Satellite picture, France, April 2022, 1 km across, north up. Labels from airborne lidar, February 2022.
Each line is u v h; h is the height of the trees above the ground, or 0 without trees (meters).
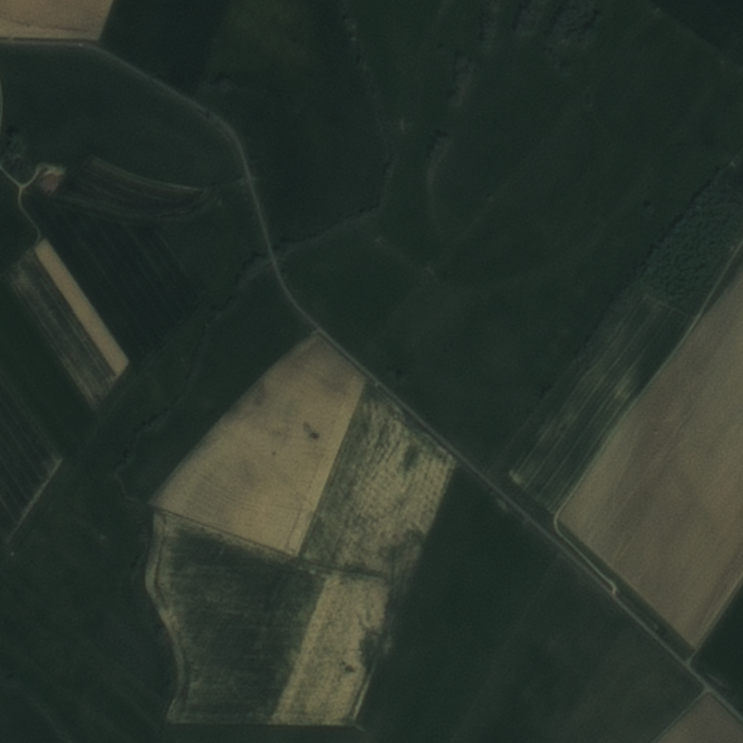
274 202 0
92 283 0
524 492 0
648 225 0
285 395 0
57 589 0
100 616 0
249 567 0
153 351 0
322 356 0
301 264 0
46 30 0
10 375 0
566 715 0
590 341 13
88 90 0
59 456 0
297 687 0
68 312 0
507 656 0
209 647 0
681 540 0
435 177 0
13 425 0
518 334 0
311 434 21
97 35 0
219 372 0
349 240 0
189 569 0
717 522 0
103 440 0
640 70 0
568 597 0
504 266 0
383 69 0
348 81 0
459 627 0
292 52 0
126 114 0
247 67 0
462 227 0
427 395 0
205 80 11
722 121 0
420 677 0
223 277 0
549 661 0
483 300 0
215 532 0
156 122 0
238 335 0
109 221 0
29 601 0
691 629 0
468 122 0
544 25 0
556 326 0
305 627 0
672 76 0
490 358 0
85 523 0
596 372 0
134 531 0
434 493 0
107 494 0
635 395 0
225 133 0
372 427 0
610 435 0
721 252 15
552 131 0
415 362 0
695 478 0
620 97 0
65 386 0
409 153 0
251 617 0
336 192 0
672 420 0
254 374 0
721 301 0
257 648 0
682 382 0
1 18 0
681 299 14
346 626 0
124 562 0
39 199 0
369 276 0
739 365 0
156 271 0
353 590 0
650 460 0
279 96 0
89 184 0
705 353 0
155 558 0
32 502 0
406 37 0
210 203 5
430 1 0
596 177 0
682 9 0
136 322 0
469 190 0
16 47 0
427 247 0
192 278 0
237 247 0
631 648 0
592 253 0
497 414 0
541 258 0
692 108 0
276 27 0
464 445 0
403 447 0
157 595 0
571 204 0
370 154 0
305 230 0
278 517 0
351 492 0
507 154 0
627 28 0
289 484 0
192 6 0
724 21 0
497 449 0
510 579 0
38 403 0
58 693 0
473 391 0
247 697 0
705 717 0
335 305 0
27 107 0
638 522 0
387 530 0
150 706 0
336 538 0
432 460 0
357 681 0
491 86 0
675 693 0
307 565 0
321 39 0
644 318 0
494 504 0
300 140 0
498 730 0
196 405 0
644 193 0
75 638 0
